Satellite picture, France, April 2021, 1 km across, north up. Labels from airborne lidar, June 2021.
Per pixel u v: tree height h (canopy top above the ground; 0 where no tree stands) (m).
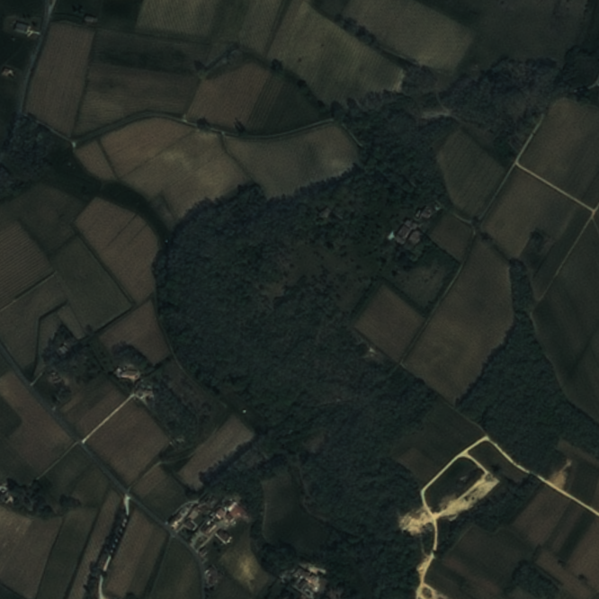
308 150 0
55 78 0
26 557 0
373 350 0
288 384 22
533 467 16
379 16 0
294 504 0
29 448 0
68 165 0
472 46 0
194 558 0
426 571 0
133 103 0
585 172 0
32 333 0
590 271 0
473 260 0
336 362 11
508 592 0
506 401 18
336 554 16
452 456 0
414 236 0
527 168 0
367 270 0
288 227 20
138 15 0
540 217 0
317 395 19
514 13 0
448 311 0
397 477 13
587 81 0
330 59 0
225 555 0
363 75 0
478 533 0
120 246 0
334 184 15
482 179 0
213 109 0
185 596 0
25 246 0
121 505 0
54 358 19
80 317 0
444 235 0
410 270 12
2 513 0
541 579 15
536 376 19
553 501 0
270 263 18
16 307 0
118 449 0
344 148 0
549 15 0
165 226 0
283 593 10
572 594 0
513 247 0
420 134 15
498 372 21
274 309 12
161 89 0
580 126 0
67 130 0
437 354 0
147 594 0
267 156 0
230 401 0
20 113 0
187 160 0
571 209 0
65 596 0
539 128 0
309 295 11
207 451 0
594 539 0
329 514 10
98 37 0
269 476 21
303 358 13
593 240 0
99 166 0
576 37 0
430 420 0
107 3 0
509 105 15
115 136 0
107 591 0
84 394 0
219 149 0
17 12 0
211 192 0
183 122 0
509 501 13
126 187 0
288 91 0
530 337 19
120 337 0
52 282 0
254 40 0
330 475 16
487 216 0
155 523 0
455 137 0
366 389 13
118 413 0
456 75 0
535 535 0
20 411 0
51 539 0
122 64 0
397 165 19
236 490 14
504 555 0
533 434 19
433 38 0
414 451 0
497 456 0
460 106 19
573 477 0
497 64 7
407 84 17
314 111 0
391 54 0
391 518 20
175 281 31
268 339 11
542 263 0
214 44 0
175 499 0
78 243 0
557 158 0
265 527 0
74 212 0
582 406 0
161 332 0
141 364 19
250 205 15
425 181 20
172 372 0
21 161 23
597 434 21
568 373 0
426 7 0
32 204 0
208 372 20
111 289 0
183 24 0
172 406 16
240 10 0
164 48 0
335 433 18
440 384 0
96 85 0
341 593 8
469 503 0
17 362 0
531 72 7
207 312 21
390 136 15
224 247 20
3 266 0
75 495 0
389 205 6
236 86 0
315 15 0
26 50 0
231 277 17
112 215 0
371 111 11
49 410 0
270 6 0
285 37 0
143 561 0
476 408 20
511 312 0
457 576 0
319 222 6
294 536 0
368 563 21
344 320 11
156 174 0
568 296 0
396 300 0
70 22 0
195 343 12
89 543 0
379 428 19
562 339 0
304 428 8
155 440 0
